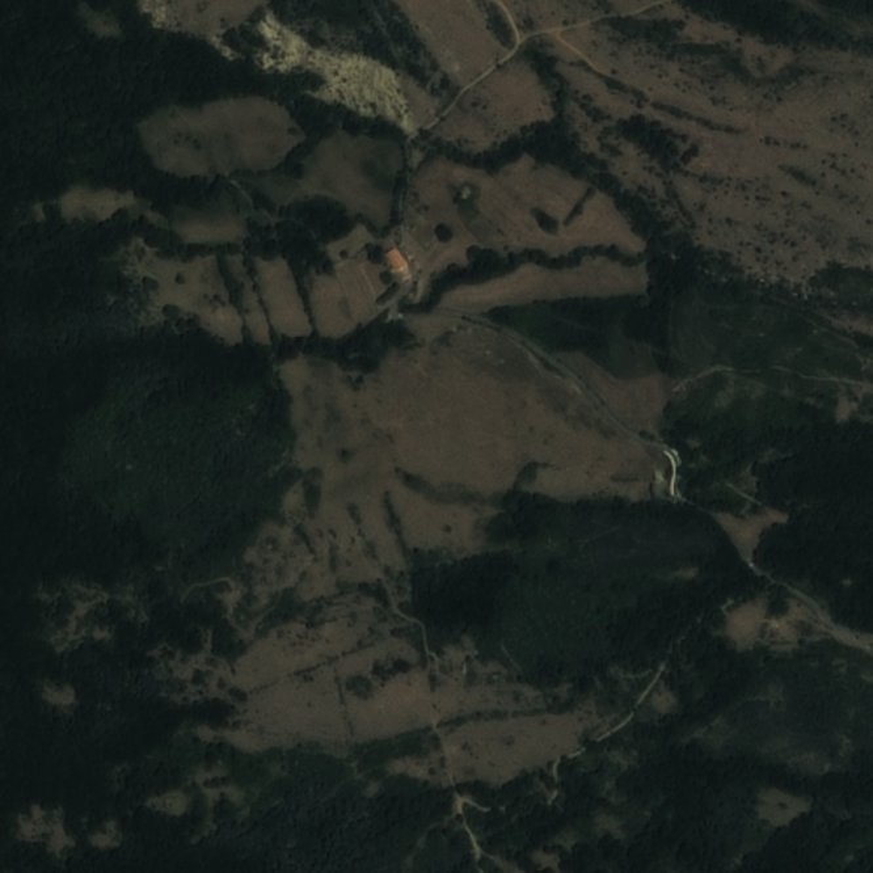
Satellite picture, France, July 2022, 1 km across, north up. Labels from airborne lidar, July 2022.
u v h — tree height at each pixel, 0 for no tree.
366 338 16
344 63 0
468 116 0
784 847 11
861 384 0
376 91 0
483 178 0
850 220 0
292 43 0
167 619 15
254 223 8
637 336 8
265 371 17
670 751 13
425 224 0
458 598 13
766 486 8
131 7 9
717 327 0
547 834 11
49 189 16
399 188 8
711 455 10
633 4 0
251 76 13
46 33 15
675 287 11
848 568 13
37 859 18
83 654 16
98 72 12
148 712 14
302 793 13
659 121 7
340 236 9
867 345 9
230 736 0
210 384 10
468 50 0
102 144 11
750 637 0
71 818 11
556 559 7
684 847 12
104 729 14
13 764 22
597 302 7
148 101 12
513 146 12
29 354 20
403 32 9
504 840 11
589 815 7
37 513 21
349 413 0
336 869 6
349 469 0
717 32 0
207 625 12
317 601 6
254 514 8
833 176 0
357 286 0
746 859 10
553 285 0
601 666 11
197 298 0
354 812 9
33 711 18
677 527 9
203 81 13
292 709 0
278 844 8
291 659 0
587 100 6
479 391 0
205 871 19
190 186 14
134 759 17
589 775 9
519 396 0
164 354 13
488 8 0
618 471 0
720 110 0
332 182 0
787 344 0
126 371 11
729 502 9
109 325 6
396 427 0
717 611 9
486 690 0
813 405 9
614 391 0
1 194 16
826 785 16
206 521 11
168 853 14
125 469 7
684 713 9
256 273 11
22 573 18
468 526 0
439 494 0
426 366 0
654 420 0
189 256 8
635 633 6
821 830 11
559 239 0
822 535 17
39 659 17
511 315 6
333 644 0
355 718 0
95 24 0
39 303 18
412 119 0
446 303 0
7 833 14
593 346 9
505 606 8
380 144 0
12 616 19
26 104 9
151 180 19
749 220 0
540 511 14
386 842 7
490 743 0
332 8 0
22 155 15
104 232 14
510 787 9
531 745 0
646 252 9
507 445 0
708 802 12
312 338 12
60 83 14
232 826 8
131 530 10
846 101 0
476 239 0
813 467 16
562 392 0
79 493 11
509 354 0
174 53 14
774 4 6
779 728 0
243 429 7
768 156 0
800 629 0
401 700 0
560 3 0
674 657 8
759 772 16
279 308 0
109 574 17
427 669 0
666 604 10
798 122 0
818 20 6
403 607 8
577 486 0
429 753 0
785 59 0
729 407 0
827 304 9
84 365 22
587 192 6
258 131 0
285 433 6
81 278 12
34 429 21
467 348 0
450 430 0
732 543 11
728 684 14
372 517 0
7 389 24
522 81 0
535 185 0
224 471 8
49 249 6
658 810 9
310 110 21
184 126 0
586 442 0
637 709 7
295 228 6
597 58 0
